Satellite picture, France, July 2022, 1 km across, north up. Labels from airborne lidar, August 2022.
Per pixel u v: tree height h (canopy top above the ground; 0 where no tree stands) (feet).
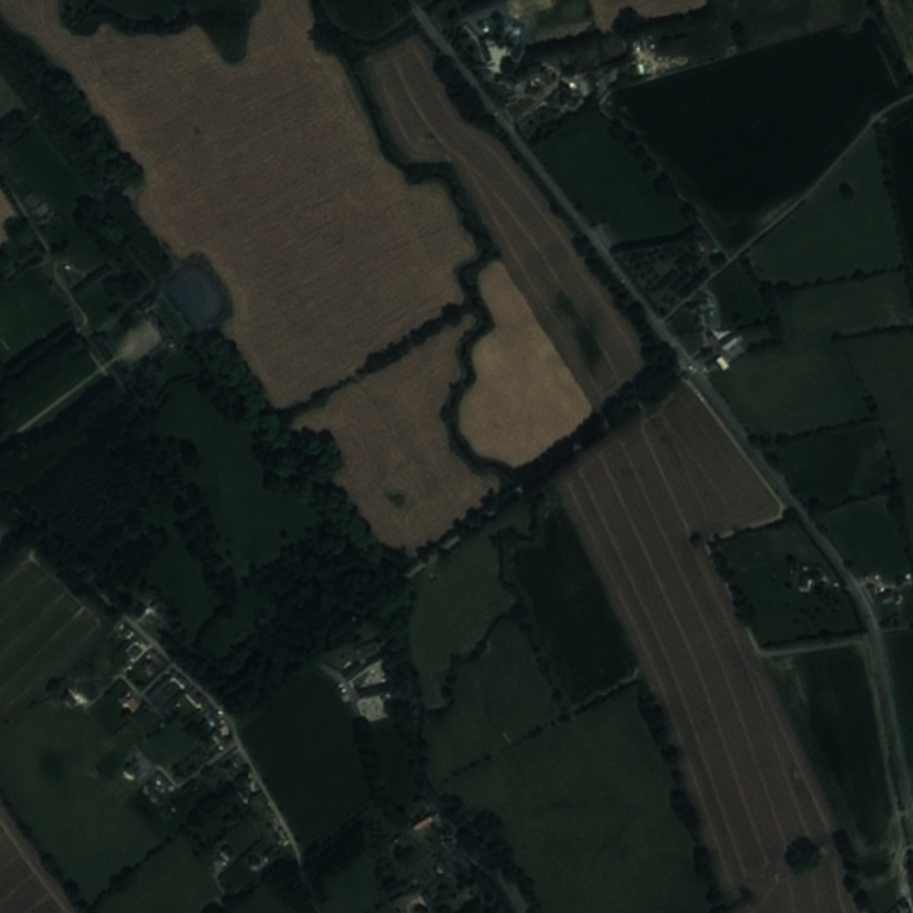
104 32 0
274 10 0
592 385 0
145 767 0
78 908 64
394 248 0
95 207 70
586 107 37
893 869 0
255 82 0
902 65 41
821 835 0
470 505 0
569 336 0
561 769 0
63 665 0
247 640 35
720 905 21
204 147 0
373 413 0
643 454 0
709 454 0
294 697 0
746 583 0
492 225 0
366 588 84
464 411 0
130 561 82
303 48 0
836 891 0
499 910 32
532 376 0
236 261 0
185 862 0
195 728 24
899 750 0
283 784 0
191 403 0
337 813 0
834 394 0
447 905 44
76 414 77
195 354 34
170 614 49
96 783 0
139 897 0
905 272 18
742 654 0
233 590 49
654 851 0
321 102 0
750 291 0
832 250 0
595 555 0
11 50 60
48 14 0
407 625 65
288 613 87
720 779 0
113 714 0
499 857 45
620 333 0
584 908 0
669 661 0
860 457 0
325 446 75
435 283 0
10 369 44
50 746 0
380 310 0
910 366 0
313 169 0
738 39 41
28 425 0
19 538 68
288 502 0
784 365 0
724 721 0
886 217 0
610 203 0
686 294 43
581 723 0
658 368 58
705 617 0
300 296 0
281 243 0
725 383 0
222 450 0
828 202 0
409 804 0
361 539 91
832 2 0
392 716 79
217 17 0
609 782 0
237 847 0
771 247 0
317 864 42
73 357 83
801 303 0
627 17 55
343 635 74
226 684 52
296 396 0
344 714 0
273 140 0
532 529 30
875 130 21
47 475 30
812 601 0
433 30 0
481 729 0
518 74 22
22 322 0
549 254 0
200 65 0
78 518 24
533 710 0
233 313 0
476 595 0
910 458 0
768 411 0
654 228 0
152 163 0
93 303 0
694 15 41
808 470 0
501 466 0
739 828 0
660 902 0
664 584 0
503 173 0
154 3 0
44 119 62
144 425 82
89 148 67
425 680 0
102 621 0
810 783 0
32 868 0
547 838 0
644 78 26
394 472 0
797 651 0
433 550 52
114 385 77
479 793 0
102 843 0
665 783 0
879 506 0
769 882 0
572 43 38
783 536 0
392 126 0
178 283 0
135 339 0
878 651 0
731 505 0
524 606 25
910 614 0
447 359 0
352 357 0
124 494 23
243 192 0
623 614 0
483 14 0
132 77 0
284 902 0
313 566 104
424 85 0
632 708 0
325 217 0
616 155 0
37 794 0
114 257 28
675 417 0
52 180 0
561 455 50
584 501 0
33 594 0
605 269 21
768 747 0
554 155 0
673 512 0
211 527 43
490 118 40
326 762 0
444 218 0
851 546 0
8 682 0
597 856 0
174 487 21
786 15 0
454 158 0
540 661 31
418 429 0
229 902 56
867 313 0
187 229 0
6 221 0
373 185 0
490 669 0
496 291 0
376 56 0
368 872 0
